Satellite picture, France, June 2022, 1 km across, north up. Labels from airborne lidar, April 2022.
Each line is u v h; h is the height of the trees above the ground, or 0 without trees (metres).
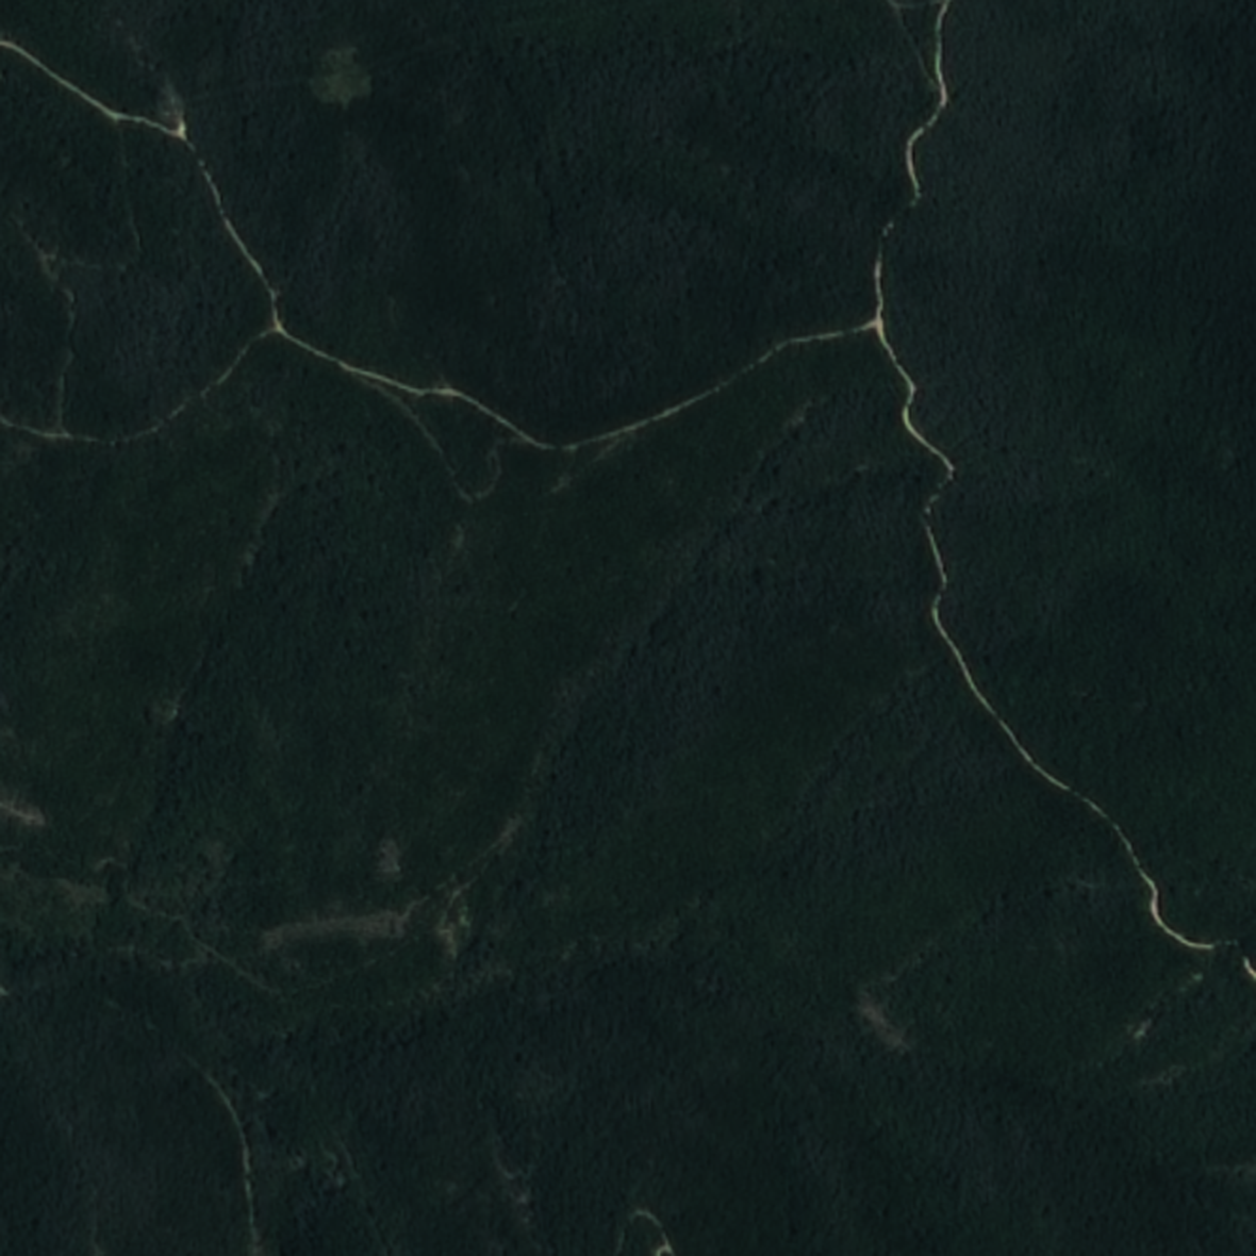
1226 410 7
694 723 6
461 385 6
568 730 8
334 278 8
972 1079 11
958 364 8
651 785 7
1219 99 8
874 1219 14
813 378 8
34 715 6
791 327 8
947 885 8
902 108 7
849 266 6
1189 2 7
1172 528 9
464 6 10
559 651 8
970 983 7
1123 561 7
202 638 9
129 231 8
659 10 8
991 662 17
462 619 6
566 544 8
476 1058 7
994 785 8
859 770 7
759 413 8
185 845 7
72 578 5
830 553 6
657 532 6
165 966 9
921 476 9
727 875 8
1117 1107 7
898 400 6
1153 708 11
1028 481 7
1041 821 8
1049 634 9
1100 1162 7
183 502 6
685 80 8
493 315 8
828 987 9
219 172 6
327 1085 9
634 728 7
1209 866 8
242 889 7
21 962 14
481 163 8
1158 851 9
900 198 10
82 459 5
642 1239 6
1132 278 8
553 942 10
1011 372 7
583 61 10
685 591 7
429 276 7
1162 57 6
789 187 8
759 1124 13
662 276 7
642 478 13
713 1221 9
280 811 9
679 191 11
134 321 10
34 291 6
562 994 8
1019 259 7
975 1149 8
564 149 8
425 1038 9
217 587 6
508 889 7
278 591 14
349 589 7
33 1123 10
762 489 7
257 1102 9
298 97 6
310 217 6
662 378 8
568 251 9
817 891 7
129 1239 8
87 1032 8
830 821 10
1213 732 10
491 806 7
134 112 5
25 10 8
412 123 10
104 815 7
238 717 6
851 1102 14
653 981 11
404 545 6
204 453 6
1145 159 7
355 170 7
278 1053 15
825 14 7
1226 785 8
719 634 7
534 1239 7
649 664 10
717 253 10
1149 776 9
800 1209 8
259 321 8
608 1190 6
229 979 9
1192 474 7
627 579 8
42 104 8
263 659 6
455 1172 6
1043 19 9
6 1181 12
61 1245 8
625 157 13
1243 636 9
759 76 6
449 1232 7
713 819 6
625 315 9
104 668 6
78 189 11
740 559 6
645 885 8
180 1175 7
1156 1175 13
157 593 7
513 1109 6
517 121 11
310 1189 7
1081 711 10
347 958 8
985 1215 8
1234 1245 8
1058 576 8
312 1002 9
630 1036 7
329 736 6
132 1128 9
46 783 7
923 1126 6
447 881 7
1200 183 7
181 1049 12
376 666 6
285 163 6
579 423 7
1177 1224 9
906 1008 7
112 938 7
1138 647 12
